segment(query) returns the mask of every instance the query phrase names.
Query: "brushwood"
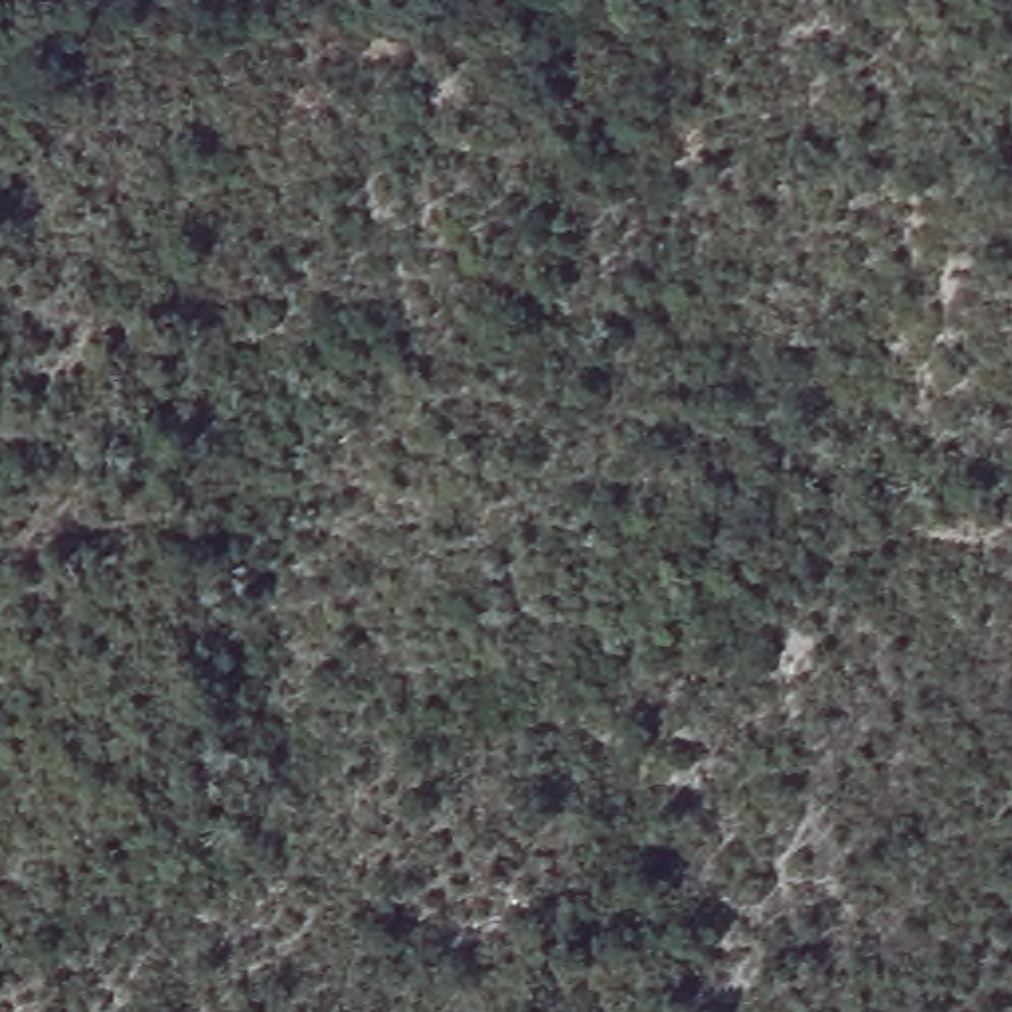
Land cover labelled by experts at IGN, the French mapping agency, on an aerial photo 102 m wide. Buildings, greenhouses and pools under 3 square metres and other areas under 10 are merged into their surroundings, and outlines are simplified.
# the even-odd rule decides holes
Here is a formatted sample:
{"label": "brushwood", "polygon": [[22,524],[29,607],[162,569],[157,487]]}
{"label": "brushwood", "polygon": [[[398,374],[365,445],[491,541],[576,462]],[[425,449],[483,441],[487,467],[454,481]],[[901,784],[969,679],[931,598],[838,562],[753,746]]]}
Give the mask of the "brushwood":
{"label": "brushwood", "polygon": [[589,134],[573,134],[565,142],[569,150],[549,162],[530,123],[522,123],[510,107],[498,103],[502,87],[490,83],[486,59],[451,51],[443,59],[423,43],[399,51],[391,40],[356,40],[344,32],[340,20],[344,0],[257,0],[257,8],[249,12],[249,43],[225,63],[190,63],[178,55],[182,36],[154,36],[146,28],[130,47],[115,47],[115,40],[107,36],[95,40],[87,55],[63,51],[59,36],[43,36],[36,43],[36,67],[47,87],[71,95],[63,103],[63,115],[51,115],[47,123],[24,123],[8,115],[0,95],[0,988],[16,984],[20,976],[43,976],[43,1012],[1012,1012],[1012,0],[727,0],[719,16],[723,40],[735,51],[727,55],[727,67],[712,67],[704,75],[700,67],[684,67],[676,59],[660,63],[652,99],[656,119],[640,119],[633,127],[640,130],[640,138],[636,146],[629,146],[633,158],[621,166],[597,166],[589,158]]}

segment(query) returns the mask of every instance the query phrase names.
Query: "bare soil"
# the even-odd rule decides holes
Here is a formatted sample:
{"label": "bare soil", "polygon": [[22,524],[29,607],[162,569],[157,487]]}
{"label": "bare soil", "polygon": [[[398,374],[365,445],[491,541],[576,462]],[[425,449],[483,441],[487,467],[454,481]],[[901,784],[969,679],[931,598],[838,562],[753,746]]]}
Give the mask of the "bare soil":
{"label": "bare soil", "polygon": [[16,984],[0,988],[0,1012],[43,1012],[43,976],[20,976]]}

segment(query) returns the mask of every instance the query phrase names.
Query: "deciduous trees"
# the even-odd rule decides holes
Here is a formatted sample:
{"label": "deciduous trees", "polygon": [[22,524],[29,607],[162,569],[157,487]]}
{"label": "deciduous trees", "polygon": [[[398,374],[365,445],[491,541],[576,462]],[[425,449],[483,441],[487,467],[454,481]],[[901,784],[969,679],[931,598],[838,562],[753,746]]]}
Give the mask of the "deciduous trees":
{"label": "deciduous trees", "polygon": [[391,40],[399,51],[423,43],[443,59],[451,51],[486,59],[490,83],[502,87],[498,103],[510,107],[522,123],[530,123],[549,162],[569,150],[565,142],[573,134],[589,134],[589,158],[597,166],[621,166],[633,158],[629,146],[636,146],[640,138],[640,130],[633,127],[640,119],[656,119],[652,99],[660,63],[676,59],[684,67],[700,67],[704,75],[712,67],[727,67],[727,55],[735,51],[723,40],[719,16],[727,0],[344,0],[340,20],[344,32],[356,40]]}
{"label": "deciduous trees", "polygon": [[87,55],[95,40],[107,36],[115,40],[115,47],[130,47],[146,28],[154,36],[182,36],[178,55],[190,63],[225,63],[249,43],[249,12],[257,8],[257,0],[0,0],[0,95],[8,115],[24,123],[47,123],[51,115],[63,115],[63,103],[71,95],[47,87],[36,67],[36,43],[43,36],[59,36],[63,51]]}

